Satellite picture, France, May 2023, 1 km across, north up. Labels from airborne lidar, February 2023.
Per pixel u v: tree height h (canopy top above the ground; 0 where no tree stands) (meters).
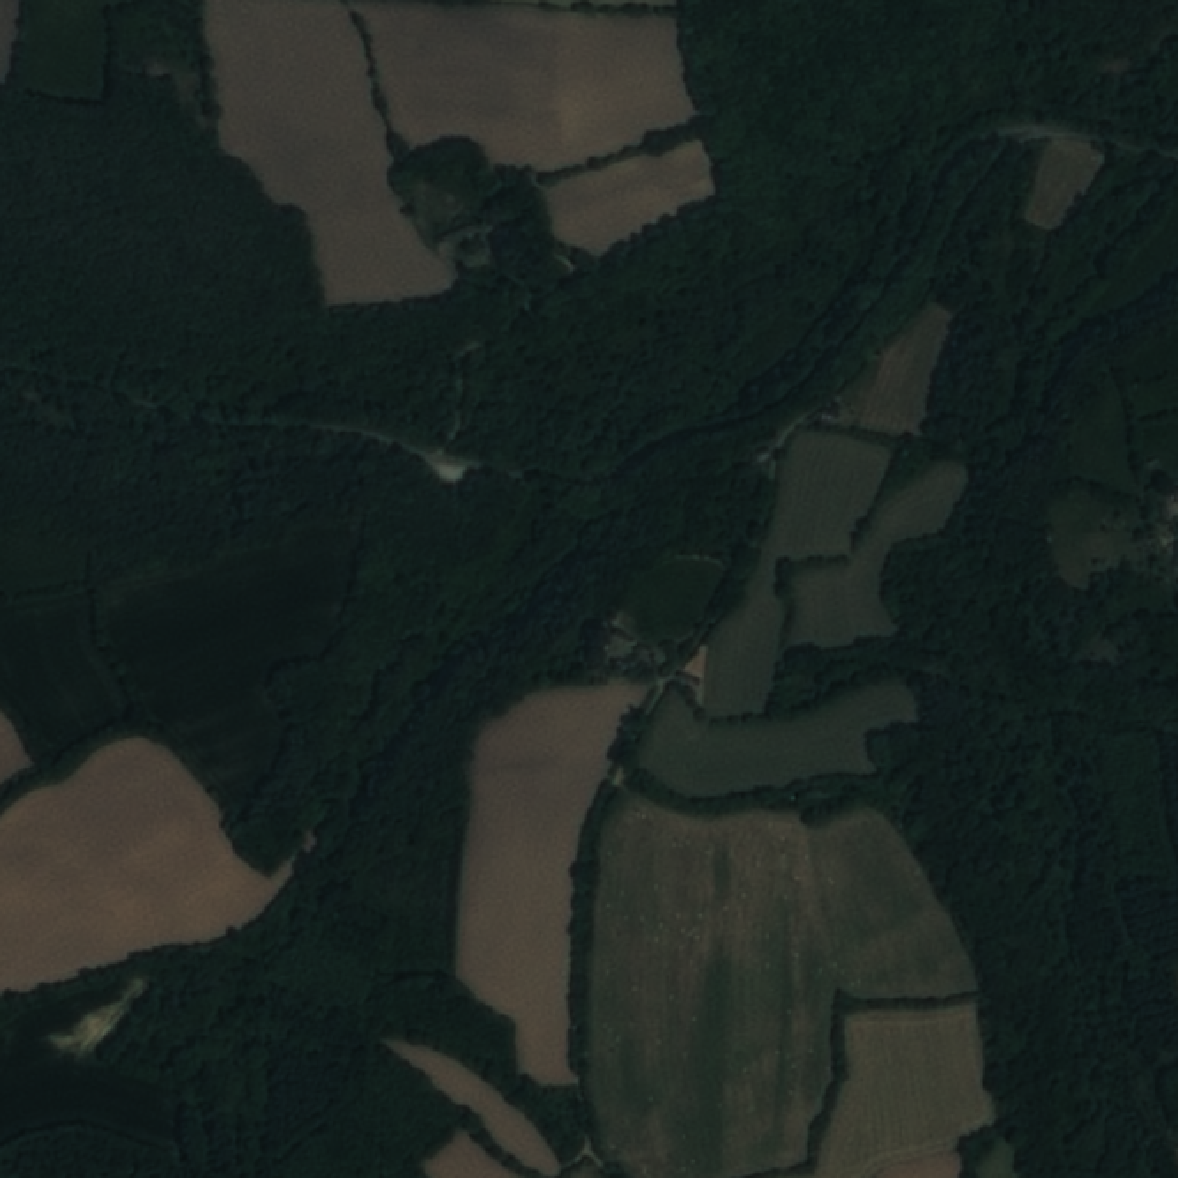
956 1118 0
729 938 0
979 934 21
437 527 12
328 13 0
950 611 11
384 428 13
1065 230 10
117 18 11
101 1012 0
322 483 13
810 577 0
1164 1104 13
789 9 20
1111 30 19
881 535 0
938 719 22
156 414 9
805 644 0
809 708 9
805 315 17
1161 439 0
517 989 0
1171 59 14
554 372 5
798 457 0
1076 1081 15
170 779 0
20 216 9
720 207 19
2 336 18
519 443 10
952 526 10
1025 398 19
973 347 21
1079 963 17
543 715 0
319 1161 18
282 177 0
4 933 0
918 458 10
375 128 0
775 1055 0
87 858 0
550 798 0
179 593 0
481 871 0
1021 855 7
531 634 23
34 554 0
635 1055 0
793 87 21
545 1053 0
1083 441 0
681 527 10
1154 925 20
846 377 12
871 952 0
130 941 0
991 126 8
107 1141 11
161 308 15
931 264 14
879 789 10
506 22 0
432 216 0
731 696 0
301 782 22
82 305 17
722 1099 0
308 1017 15
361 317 15
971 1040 0
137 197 15
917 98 19
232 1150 10
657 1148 0
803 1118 0
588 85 0
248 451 15
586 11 14
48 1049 0
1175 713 13
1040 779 10
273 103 0
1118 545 0
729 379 14
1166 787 22
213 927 0
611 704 0
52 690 0
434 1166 0
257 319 20
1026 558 17
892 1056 0
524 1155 0
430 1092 11
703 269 20
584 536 9
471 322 20
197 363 18
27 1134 9
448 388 8
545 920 0
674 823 0
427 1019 18
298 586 0
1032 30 7
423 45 0
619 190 0
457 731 19
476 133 0
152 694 0
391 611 16
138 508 17
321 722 23
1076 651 16
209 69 10
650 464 17
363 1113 18
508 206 19
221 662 0
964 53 20
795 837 0
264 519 17
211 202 16
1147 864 14
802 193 22
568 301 18
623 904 0
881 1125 0
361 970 16
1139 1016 19
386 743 8
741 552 19
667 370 11
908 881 0
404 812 18
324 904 18
